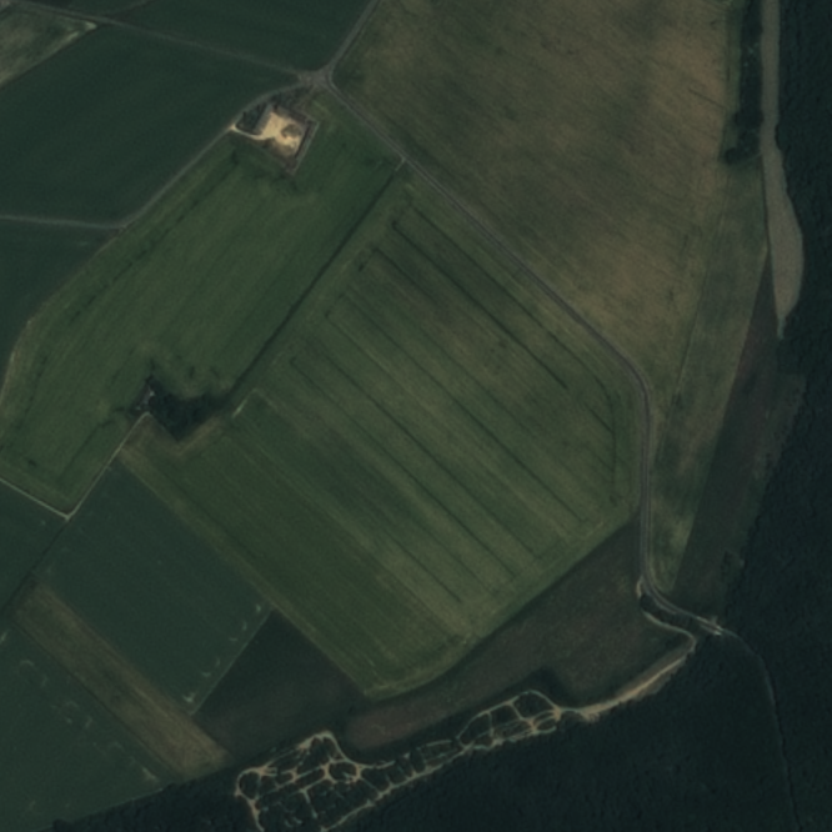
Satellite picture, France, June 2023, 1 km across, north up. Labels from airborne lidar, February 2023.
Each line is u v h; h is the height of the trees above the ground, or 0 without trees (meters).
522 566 0
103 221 0
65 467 0
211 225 0
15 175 0
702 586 0
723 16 0
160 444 0
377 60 0
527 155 0
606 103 0
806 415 15
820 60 25
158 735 0
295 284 0
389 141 0
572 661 0
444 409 0
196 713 0
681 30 0
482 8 0
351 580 0
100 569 0
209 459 0
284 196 0
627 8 0
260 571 0
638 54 0
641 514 0
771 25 0
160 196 0
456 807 24
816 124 24
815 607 23
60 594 0
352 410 0
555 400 0
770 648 21
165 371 0
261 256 0
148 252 0
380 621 0
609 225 0
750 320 0
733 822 24
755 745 23
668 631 0
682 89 0
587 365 0
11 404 0
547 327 0
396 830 23
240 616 0
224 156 0
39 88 0
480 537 0
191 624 0
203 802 19
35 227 0
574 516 0
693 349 0
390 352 0
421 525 0
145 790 0
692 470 0
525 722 0
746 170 0
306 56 0
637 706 12
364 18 0
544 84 0
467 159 0
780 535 15
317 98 0
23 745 0
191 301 0
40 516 0
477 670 0
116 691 0
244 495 0
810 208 21
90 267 0
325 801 9
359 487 0
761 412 0
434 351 0
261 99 0
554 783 24
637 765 23
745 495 0
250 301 0
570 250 0
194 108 0
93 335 0
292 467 0
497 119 0
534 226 0
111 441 0
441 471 0
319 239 0
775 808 24
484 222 0
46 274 0
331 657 0
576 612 0
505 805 23
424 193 0
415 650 0
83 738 0
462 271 0
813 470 12
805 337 11
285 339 0
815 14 24
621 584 0
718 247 0
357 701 0
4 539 0
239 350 0
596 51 0
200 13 0
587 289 0
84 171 0
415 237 0
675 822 24
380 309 0
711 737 23
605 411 0
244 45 0
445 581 0
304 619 0
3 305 0
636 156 0
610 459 0
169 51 0
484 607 0
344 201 0
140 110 0
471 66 0
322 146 0
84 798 0
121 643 0
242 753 0
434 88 0
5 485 0
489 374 0
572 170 0
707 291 0
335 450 0
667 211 0
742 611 20
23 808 0
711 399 0
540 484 0
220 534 0
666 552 0
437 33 0
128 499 0
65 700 0
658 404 0
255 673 0
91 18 0
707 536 0
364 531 0
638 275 0
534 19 0
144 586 0
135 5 0
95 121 0
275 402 0
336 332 0
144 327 0
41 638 0
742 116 11
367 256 0
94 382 0
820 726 21
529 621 0
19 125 0
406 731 0
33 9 0
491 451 0
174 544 0
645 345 0
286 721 0
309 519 0
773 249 0
